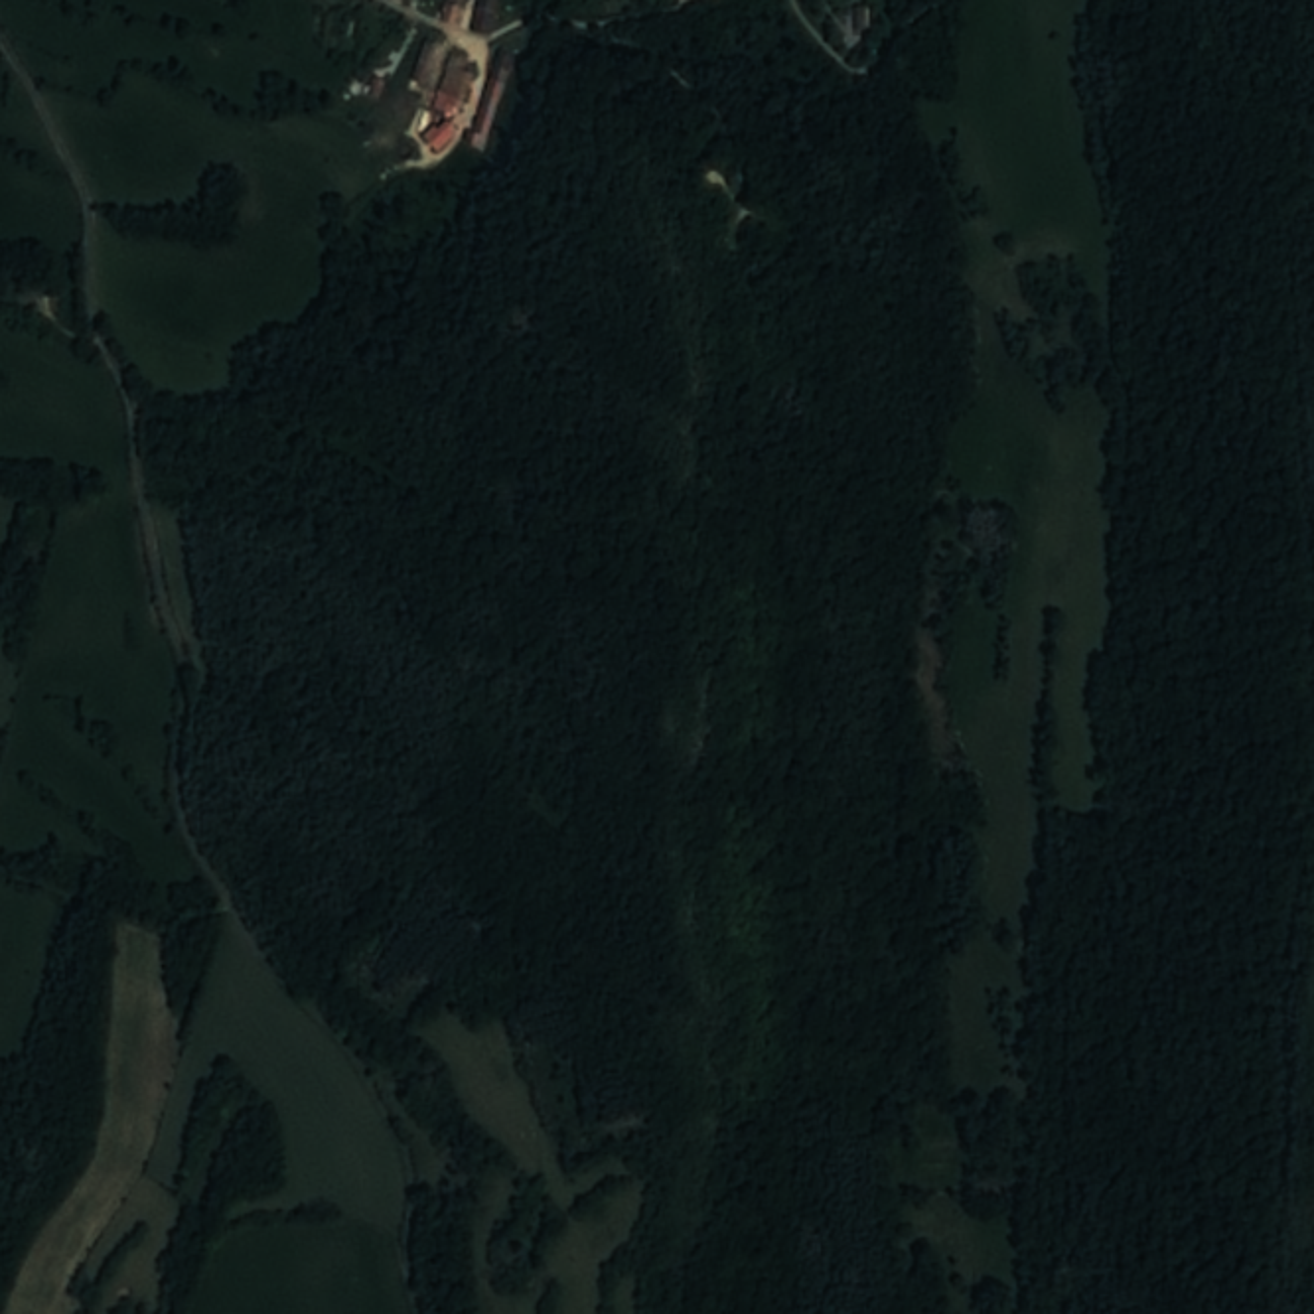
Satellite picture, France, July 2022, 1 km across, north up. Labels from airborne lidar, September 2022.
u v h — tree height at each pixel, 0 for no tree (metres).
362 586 16
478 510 18
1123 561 16
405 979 21
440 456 15
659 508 7
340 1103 0
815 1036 18
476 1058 0
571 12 7
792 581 17
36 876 16
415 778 13
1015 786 0
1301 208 12
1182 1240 18
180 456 16
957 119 0
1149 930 20
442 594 17
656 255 6
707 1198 15
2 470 16
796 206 20
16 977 0
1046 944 9
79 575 0
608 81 26
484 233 22
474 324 19
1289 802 22
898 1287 25
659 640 18
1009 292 0
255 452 21
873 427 20
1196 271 20
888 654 15
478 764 10
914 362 19
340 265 21
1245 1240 18
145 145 0
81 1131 18
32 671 0
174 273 0
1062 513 0
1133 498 23
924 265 23
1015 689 0
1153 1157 17
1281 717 22
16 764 0
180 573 0
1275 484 20
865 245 18
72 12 16
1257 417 15
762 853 20
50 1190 18
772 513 19
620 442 13
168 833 10
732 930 15
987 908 22
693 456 22
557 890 14
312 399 14
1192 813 25
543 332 15
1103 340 17
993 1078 0
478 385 15
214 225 19
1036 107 0
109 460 0
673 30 18
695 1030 6
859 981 15
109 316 15
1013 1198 9
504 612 15
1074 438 0
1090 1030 13
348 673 19
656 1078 13
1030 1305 25
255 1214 6
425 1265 16
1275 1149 16
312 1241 0
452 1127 13
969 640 0
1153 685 18
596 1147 8
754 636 12
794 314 16
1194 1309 17
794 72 7
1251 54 17
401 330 21
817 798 14
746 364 8
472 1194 9
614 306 13
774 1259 20
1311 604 18
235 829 13
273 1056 0
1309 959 6
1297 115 15
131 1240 12
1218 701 21
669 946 10
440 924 22
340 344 22
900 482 27
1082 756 0
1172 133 14
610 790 14
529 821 13
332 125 0
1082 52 13
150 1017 0
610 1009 17
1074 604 0
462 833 17
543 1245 15
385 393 13
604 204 14
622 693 15
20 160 14
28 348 0
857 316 16
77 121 0
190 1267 13
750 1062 14
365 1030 16
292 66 0
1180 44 16
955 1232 0
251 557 17
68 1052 17
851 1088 19
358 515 20
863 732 16
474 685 8
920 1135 29
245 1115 10
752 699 19
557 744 12
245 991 0
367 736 18
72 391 0
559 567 13
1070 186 0
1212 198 15
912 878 15
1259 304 18
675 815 8
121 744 12
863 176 14
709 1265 20
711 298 10
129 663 0
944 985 25
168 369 0
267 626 16
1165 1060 18
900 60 23
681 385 11
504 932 23
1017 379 0
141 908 15
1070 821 20
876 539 27
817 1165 19
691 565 16
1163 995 24
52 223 0
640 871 10
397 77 0
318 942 11
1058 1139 17
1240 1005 16
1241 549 21
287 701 13
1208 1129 22
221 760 19
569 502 14
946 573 11
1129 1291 22
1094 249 0
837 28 17
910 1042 23
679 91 23
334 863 11
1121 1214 23
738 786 23
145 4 0
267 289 0
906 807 29
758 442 17
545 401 19
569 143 16
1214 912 21
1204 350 19
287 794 16
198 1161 8
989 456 0
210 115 0
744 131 21
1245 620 22
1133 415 22
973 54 0
